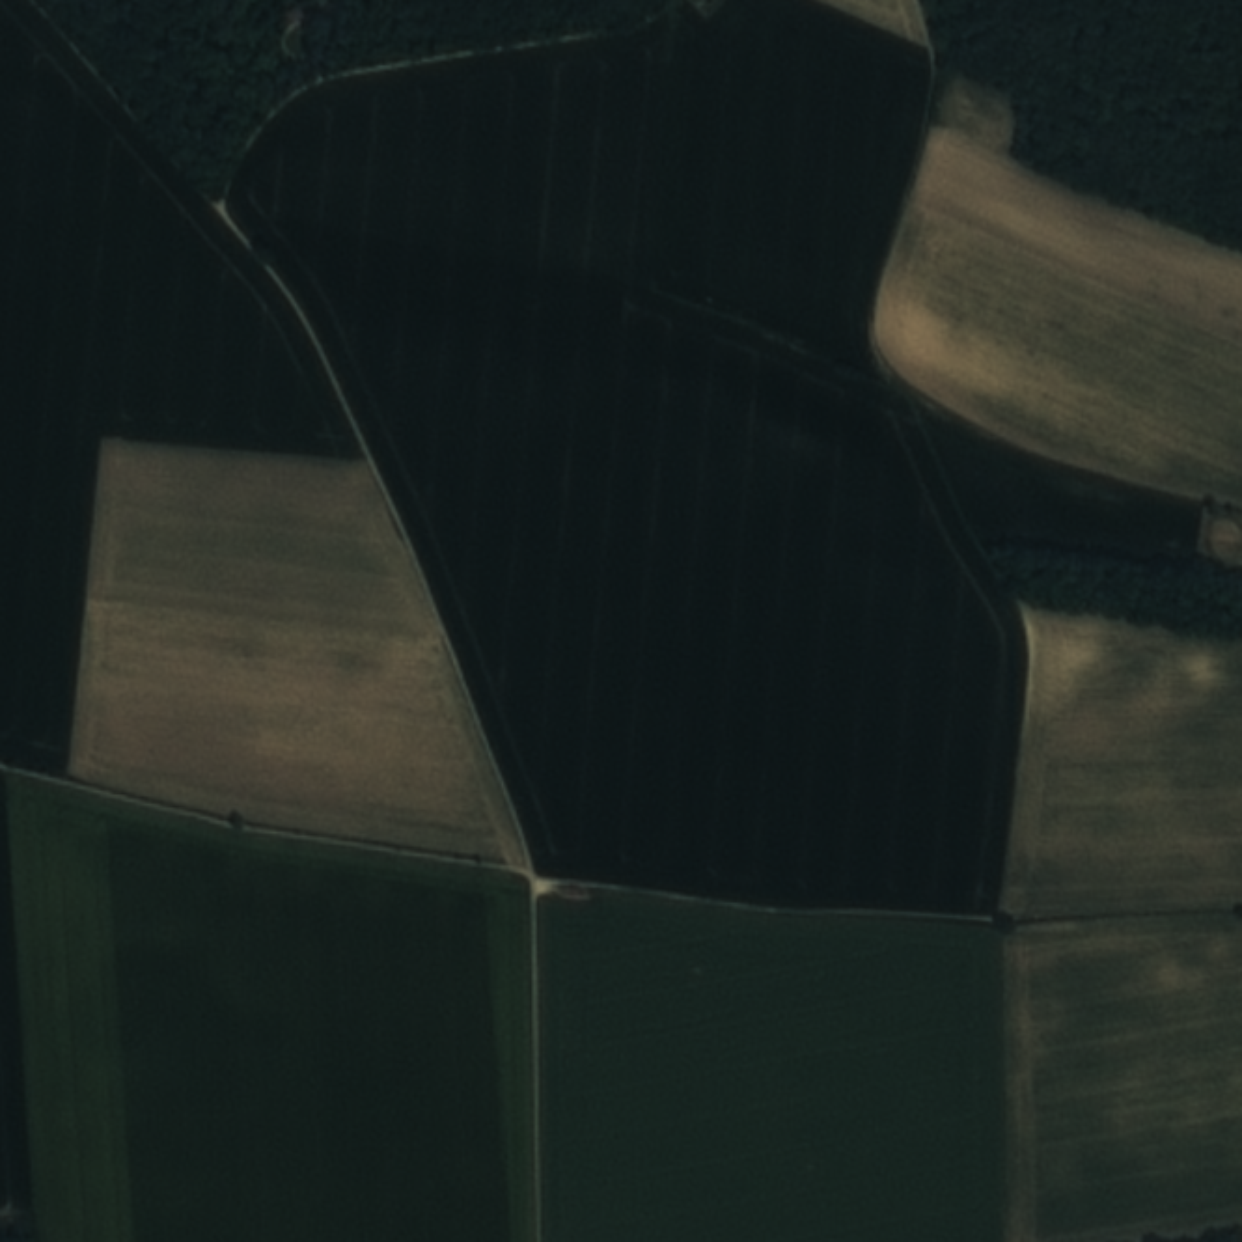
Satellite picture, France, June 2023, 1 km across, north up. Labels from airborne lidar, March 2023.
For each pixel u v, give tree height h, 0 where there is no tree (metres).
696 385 0
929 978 0
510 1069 0
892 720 0
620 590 0
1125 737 0
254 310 0
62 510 0
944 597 0
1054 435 0
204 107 22
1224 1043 0
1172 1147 0
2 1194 0
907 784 0
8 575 0
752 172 0
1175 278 0
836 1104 0
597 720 0
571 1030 0
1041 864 0
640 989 0
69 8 20
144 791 0
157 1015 0
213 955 0
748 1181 0
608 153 0
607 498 0
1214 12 23
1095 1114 0
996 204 0
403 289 0
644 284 0
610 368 0
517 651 0
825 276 0
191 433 0
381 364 0
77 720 0
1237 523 0
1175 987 0
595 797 0
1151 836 0
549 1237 0
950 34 7
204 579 0
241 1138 0
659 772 0
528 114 0
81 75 0
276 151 0
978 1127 0
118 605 0
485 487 0
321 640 0
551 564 0
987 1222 0
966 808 0
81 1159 0
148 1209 0
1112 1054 0
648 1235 0
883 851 0
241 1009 0
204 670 0
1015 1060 0
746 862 0
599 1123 0
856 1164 0
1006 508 0
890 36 0
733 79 0
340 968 0
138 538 0
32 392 0
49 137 0
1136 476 0
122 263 0
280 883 0
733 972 0
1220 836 0
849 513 0
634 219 0
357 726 0
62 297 0
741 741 0
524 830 0
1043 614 0
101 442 0
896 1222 0
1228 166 19
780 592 0
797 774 0
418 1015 0
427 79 0
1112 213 0
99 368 0
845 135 0
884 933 0
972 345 0
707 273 0
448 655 0
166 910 0
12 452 0
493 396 0
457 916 0
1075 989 0
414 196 0
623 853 0
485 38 19
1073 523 0
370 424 0
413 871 0
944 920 0
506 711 0
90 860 0
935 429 0
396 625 0
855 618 0
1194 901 0
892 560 0
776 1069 0
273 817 0
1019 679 0
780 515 0
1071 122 18
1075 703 0
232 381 0
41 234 0
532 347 0
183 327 0
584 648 0
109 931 0
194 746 0
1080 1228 0
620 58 0
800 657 0
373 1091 0
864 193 0
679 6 0
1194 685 0
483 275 0
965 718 0
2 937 0
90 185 0
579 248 0
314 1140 0
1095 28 23
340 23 17
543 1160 0
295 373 0
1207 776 0
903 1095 0
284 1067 0
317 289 0
